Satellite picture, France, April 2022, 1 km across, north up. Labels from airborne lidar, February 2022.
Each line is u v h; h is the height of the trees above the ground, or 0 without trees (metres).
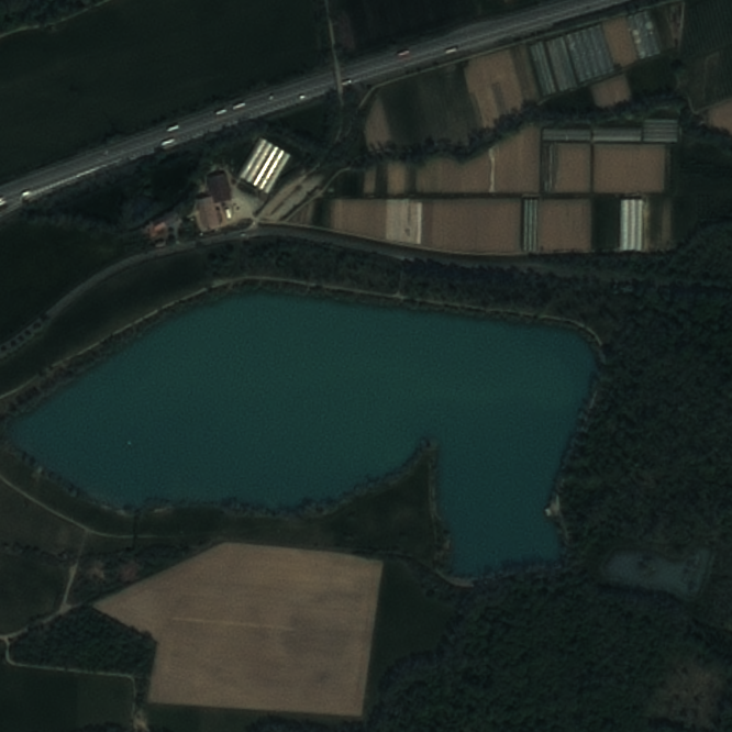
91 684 0
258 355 0
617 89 0
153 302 0
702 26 0
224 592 0
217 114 0
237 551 0
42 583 0
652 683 13
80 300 0
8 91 0
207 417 0
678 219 0
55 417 0
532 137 0
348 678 0
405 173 0
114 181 11
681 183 0
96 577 7
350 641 0
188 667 0
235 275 0
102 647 14
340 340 0
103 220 14
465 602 15
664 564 0
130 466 0
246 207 0
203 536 0
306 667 0
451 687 21
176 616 0
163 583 0
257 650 0
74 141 0
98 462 0
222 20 0
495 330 0
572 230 0
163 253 0
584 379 0
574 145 0
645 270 21
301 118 0
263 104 0
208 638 0
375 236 0
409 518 0
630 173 0
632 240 0
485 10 0
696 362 25
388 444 0
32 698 0
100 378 0
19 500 0
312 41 0
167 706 0
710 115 0
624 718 20
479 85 0
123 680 0
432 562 0
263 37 0
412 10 0
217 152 15
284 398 0
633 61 0
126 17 0
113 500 0
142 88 0
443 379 0
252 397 0
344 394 0
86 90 0
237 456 0
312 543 0
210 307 0
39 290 0
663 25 0
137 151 0
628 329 19
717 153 0
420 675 27
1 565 0
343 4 0
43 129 0
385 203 0
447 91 0
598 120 20
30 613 0
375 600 0
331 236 0
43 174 0
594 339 7
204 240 0
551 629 23
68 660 19
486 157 0
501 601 21
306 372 0
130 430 0
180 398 0
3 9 21
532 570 13
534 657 21
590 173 0
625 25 0
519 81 0
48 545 0
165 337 0
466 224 0
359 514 0
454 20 0
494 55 0
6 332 0
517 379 0
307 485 0
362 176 0
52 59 0
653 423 29
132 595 0
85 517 0
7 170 0
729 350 10
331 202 0
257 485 0
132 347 0
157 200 12
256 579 0
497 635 21
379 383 0
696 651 25
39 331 8
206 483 0
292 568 0
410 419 0
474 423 0
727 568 6
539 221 0
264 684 0
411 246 0
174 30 0
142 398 0
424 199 0
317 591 0
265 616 0
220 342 0
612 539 13
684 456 29
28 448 0
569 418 0
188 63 0
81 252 0
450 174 0
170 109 0
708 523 29
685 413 30
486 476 0
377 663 0
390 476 6
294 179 0
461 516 0
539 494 0
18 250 0
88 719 0
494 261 0
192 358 0
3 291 0
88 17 0
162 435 0
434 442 0
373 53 0
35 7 17
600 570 0
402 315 0
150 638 13
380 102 0
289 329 0
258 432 0
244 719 0
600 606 23
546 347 0
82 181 11
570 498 7
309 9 0
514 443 0
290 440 0
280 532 0
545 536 0
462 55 0
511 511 0
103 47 0
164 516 0
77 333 0
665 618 23
